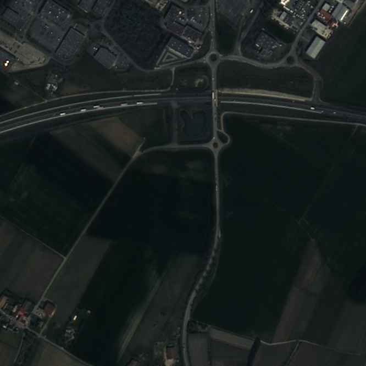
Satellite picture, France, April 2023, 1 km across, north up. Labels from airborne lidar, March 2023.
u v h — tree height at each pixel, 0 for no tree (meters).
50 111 0
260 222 0
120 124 0
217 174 0
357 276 0
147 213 0
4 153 0
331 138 0
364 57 0
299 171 0
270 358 0
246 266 0
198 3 0
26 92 0
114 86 0
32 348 8
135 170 0
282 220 0
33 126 0
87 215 0
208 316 0
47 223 0
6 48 0
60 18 0
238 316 0
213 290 0
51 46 0
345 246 0
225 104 0
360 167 0
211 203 0
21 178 0
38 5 0
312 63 0
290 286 0
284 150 0
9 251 0
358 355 0
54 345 0
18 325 0
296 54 0
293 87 0
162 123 0
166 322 0
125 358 0
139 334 0
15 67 0
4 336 0
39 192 0
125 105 0
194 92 0
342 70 0
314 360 0
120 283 0
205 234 0
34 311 0
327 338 0
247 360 0
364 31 0
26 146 0
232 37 0
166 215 0
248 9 0
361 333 0
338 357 0
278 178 0
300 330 0
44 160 0
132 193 0
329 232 0
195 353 0
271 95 0
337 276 0
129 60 0
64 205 0
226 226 0
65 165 0
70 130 0
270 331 0
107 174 0
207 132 0
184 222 0
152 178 0
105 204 0
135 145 0
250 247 0
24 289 0
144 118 0
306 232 0
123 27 16
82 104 0
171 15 0
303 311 0
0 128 0
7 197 0
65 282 0
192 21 0
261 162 0
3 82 0
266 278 0
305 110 0
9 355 0
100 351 0
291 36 0
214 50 0
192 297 0
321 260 0
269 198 0
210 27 0
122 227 0
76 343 0
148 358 0
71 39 0
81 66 0
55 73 0
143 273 0
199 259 0
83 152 0
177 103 0
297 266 0
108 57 0
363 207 0
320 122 0
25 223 0
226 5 0
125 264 0
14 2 0
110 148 0
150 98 0
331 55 0
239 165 0
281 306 0
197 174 0
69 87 0
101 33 0
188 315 0
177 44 0
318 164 0
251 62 0
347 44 0
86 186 0
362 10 0
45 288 0
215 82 0
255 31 6
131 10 21
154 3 0
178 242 0
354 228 0
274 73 0
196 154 0
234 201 0
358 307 0
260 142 0
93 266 0
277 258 0
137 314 0
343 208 0
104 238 0
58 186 0
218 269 0
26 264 0
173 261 0
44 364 0
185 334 0
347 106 0
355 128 0
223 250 0
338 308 0
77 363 0
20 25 0
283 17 0
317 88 0
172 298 0
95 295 0
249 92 0
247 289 0
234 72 0
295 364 0
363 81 0
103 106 0
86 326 0
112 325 0
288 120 0
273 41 0
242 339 0
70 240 0
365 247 0
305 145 0
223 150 0
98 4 0
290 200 0
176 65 0
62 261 0
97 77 0
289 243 0
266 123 0
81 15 0
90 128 0
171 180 0
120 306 0
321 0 0
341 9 0
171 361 0
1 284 0
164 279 0
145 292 0
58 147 0
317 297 0
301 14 0
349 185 0
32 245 0
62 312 0
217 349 0
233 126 0
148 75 0
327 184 0
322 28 0
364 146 0
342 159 0
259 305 0
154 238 0
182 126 0
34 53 0
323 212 0
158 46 11
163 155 0
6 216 0
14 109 0
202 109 0
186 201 0
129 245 0
